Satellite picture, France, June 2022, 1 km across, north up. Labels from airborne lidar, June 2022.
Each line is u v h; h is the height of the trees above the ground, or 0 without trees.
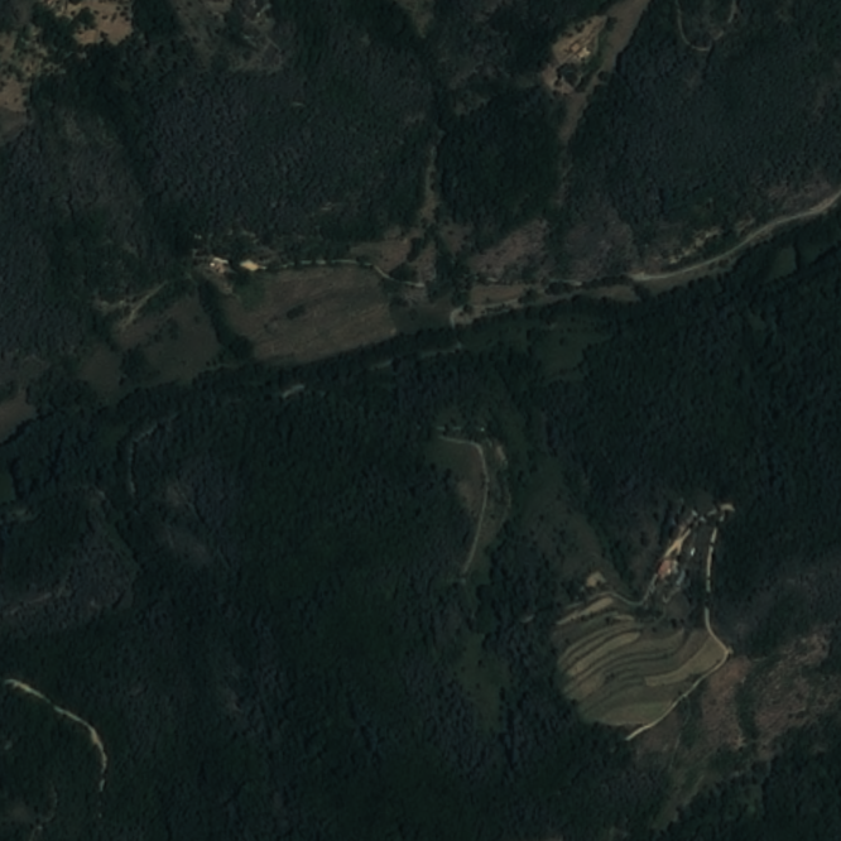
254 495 15
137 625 17
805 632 7
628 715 0
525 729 19
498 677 0
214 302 21
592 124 16
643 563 0
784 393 24
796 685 0
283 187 8
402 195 13
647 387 7
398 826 16
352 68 17
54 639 20
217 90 13
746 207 11
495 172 16
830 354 19
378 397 10
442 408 14
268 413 17
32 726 11
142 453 9
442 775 20
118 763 17
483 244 9
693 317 18
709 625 0
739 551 7
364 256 9
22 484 25
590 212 10
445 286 8
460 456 0
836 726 8
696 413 13
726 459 14
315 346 0
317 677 18
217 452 11
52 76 9
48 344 14
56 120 10
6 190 20
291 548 8
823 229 17
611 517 7
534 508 0
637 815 11
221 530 13
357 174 8
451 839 18
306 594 14
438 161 14
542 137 15
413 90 9
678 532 14
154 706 18
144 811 15
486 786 23
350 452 12
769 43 14
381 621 17
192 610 17
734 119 13
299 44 10
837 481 14
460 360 13
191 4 7
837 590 8
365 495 18
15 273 16
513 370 12
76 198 14
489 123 9
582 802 9
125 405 18
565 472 9
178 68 15
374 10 12
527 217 13
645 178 12
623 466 10
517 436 0
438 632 24
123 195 10
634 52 15
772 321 15
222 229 17
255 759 12
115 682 18
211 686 15
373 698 15
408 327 0
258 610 11
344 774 17
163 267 14
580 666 0
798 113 16
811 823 12
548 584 9
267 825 16
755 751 6
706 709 0
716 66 16
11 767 10
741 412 23
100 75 23
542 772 18
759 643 9
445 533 15
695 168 14
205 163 13
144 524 13
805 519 18
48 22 14
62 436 31
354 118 12
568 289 16
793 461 17
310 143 13
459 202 12
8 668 13
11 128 0
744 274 22
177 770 23
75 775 8
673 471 15
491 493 6
